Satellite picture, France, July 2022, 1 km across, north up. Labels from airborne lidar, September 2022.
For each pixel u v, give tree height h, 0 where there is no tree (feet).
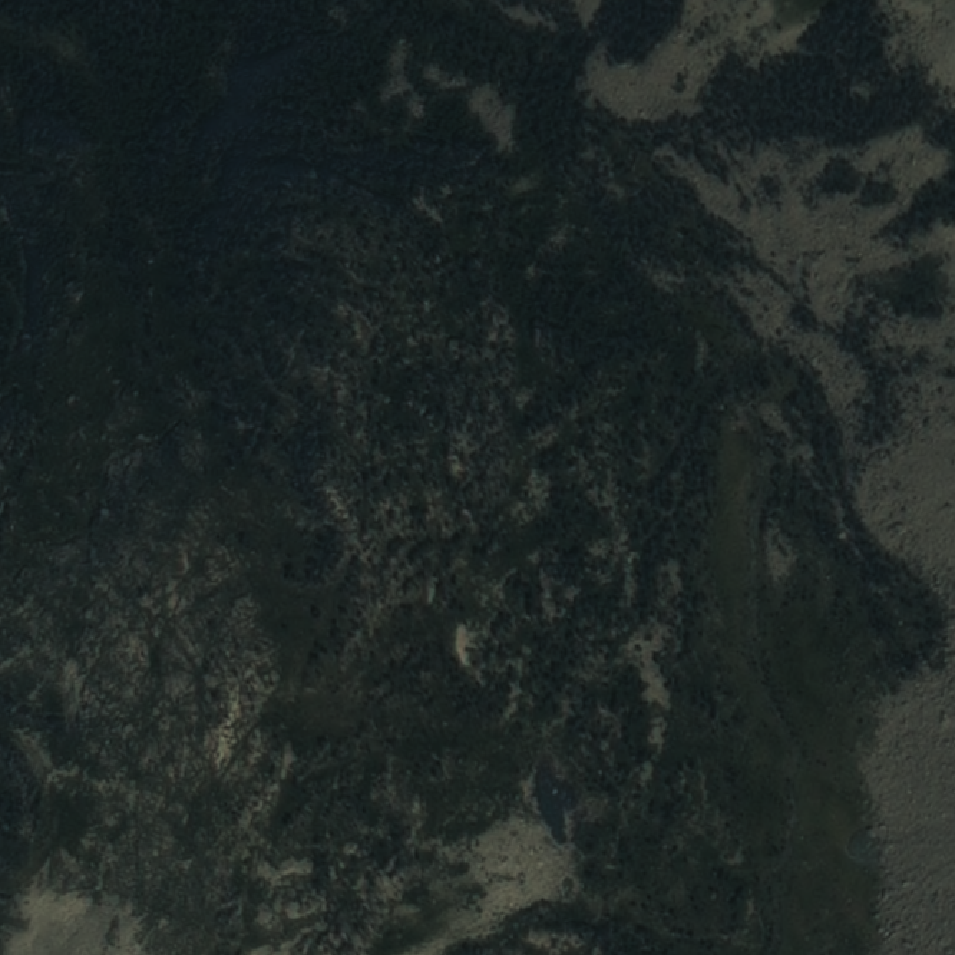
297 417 0
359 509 19
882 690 0
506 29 34
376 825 0
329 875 22
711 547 0
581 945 0
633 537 23
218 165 22
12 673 0
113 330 0
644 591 23
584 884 0
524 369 0
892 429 34
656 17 27
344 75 32
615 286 34
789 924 0
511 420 62
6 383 22
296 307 36
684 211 39
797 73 58
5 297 24
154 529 0
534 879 0
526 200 21
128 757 0
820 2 0
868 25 39
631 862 21
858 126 31
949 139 28
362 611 27
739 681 0
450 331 0
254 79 25
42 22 22
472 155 36
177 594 0
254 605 0
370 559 24
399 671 39
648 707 26
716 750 0
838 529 27
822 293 0
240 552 0
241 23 45
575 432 0
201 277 28
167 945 0
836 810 0
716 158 23
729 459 0
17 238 48
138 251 34
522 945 0
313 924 0
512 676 52
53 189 21
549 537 26
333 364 24
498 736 0
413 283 31
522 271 21
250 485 0
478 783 0
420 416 25
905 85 38
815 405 35
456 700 21
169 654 0
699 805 0
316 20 24
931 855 0
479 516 49
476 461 36
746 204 29
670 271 20
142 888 0
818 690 0
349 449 0
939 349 0
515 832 0
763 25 0
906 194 0
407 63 22
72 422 0
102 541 0
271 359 32
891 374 35
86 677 0
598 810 0
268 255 45
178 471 0
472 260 22
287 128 31
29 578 0
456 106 28
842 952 0
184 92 26
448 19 26
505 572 0
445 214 37
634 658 0
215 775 0
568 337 35
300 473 34
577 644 35
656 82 0
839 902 0
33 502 0
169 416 0
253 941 0
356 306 20
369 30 29
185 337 0
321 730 0
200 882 0
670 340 24
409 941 0
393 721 0
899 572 19
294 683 0
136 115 19
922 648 27
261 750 0
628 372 21
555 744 0
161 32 68
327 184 19
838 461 28
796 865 0
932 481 0
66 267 19
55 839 0
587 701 31
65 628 0
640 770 0
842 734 0
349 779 23
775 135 30
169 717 0
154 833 0
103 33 29
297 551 0
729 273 25
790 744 0
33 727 0
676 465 36
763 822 0
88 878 0
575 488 31
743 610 0
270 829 0
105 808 0
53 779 0
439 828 0
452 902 0
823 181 29
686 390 33
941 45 0
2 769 0
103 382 0
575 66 25
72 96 29
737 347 0
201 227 20
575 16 34
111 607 0
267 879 0
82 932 0
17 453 27
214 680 0
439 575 31
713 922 0
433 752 0
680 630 23
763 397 0
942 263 0
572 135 29
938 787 0
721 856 0
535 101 30
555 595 27
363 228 27
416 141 26
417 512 40
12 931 0
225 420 38
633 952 26
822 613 0
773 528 21
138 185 21
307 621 0
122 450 0
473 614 0
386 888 0
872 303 30
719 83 37
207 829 0
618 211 43
